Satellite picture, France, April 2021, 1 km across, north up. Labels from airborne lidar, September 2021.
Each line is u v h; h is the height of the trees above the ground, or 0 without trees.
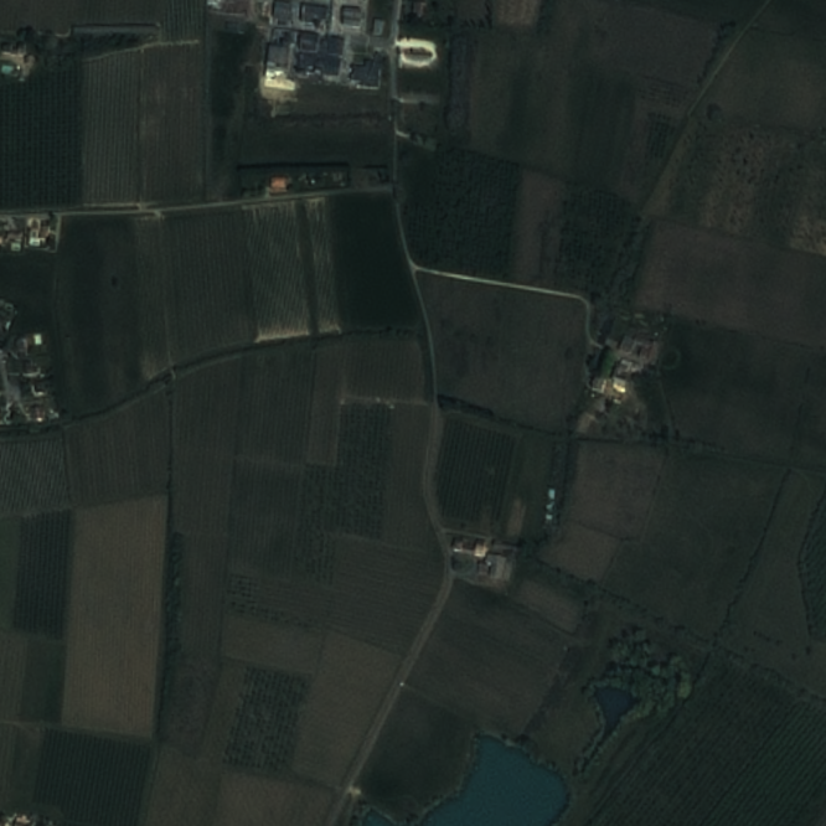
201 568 0
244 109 0
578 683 0
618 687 16
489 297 0
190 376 0
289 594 0
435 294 0
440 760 0
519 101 0
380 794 0
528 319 0
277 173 13
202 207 0
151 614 0
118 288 13
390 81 9
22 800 0
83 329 0
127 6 0
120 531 0
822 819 0
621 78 0
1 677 0
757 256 0
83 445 0
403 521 0
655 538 0
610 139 0
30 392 8
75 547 0
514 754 0
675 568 0
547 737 0
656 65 0
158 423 0
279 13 0
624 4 0
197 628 0
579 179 0
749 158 7
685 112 0
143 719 0
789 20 0
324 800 0
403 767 0
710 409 0
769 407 0
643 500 0
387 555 0
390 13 7
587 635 0
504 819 0
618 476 0
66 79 6
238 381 0
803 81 0
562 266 13
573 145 0
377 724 0
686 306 0
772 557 0
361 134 0
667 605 0
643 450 0
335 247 0
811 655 12
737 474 0
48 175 6
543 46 0
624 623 0
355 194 0
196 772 0
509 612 0
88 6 0
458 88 13
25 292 0
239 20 0
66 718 0
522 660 0
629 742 0
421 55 9
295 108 0
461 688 0
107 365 0
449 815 0
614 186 0
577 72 0
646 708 15
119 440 0
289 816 0
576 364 0
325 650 0
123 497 0
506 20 0
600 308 18
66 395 0
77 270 0
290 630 0
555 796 0
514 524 0
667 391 0
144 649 0
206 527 0
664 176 0
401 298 0
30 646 0
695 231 0
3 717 0
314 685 0
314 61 0
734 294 0
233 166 0
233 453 0
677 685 14
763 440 0
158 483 0
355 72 0
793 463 0
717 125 17
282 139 0
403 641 0
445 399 10
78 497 0
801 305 0
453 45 10
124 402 7
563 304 0
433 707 0
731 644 0
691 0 0
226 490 0
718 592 0
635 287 6
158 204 0
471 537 0
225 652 0
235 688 0
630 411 0
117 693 0
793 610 0
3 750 0
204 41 0
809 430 0
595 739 10
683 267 0
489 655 0
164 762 0
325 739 0
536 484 0
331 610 0
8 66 0
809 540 5
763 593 0
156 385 8
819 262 0
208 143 0
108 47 10
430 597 0
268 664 0
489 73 0
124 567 0
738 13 0
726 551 0
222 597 0
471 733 0
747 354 0
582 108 0
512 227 6
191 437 0
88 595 0
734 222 6
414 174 0
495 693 0
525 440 0
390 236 0
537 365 0
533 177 0
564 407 0
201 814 0
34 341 0
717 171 6
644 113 0
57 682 0
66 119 6
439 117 0
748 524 0
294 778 0
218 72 0
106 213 0
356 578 0
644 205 0
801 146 7
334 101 0
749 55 0
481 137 0
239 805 0
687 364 0
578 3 0
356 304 0
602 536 0
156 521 0
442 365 0
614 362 10
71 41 7
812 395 0
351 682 0
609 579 0
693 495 0
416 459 0
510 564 11
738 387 0
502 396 0
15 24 0
